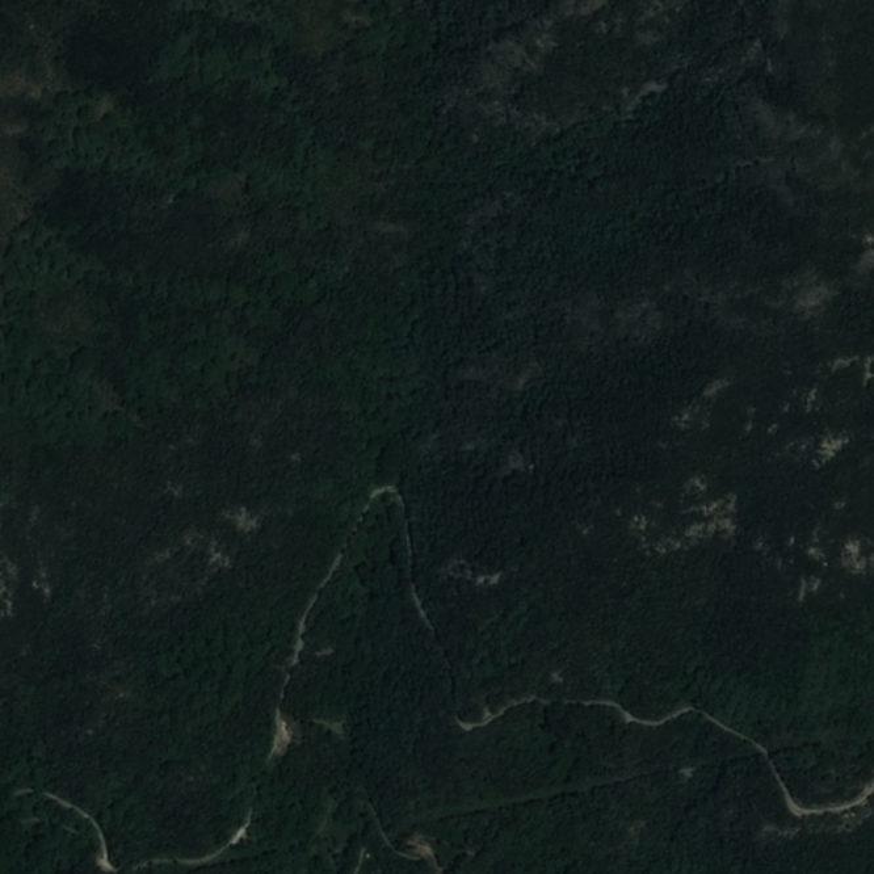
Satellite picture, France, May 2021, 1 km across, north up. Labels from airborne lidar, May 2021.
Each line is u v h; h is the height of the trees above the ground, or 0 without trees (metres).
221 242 13
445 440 9
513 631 11
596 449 14
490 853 16
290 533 11
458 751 17
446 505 12
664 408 10
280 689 13
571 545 7
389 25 9
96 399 26
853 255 11
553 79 7
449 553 11
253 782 20
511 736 17
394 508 18
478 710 12
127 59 8
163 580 8
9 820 20
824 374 6
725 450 7
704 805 15
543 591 11
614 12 7
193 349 21
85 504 7
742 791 13
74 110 11
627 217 12
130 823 12
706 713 14
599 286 8
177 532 11
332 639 16
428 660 17
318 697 19
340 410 15
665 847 10
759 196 7
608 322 8
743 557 8
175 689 13
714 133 7
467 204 15
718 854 11
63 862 20
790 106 6
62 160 17
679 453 5
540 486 16
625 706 10
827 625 15
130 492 6
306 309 14
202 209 9
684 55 9
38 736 14
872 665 15
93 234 9
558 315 9
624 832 8
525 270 7
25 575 6
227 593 15
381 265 14
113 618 8
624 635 14
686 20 8
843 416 7
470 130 6
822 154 0
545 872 15
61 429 21
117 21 7
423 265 21
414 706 9
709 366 11
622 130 8
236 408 11
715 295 9
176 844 14
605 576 14
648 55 8
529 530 13
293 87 11
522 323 11
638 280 6
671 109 10
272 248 11
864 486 8
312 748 16
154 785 13
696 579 7
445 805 14
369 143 16
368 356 22
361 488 13
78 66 10
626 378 17
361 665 17
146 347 12
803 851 13
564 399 14
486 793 19
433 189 17
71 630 6
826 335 8
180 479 7
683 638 16
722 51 10
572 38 8
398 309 11
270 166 23
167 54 22
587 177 10
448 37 14
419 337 19
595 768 13
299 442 12
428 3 21
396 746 12
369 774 19
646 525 6
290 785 17
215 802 10
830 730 18
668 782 15
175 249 7
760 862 10
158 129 18
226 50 16
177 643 9
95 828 12
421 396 13
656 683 12
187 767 12
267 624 16
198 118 18
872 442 7
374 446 19
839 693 19
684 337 12
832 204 7
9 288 25
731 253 8
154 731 8
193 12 15
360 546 18
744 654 13
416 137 20
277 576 16
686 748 17
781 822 9
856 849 8
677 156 9
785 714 14
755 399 7
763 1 10
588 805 15
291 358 17
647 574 14
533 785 17
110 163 21
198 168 15
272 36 15
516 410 16
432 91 16
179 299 17
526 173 10
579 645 15
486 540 12
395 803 12
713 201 8
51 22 8
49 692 17
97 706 9
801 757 15
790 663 11
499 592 14
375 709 13
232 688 17
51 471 13
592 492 14
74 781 15
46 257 25
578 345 6
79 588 6
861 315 14
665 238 6
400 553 16
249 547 9
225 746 16
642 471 12
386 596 14
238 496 17
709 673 11
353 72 9
